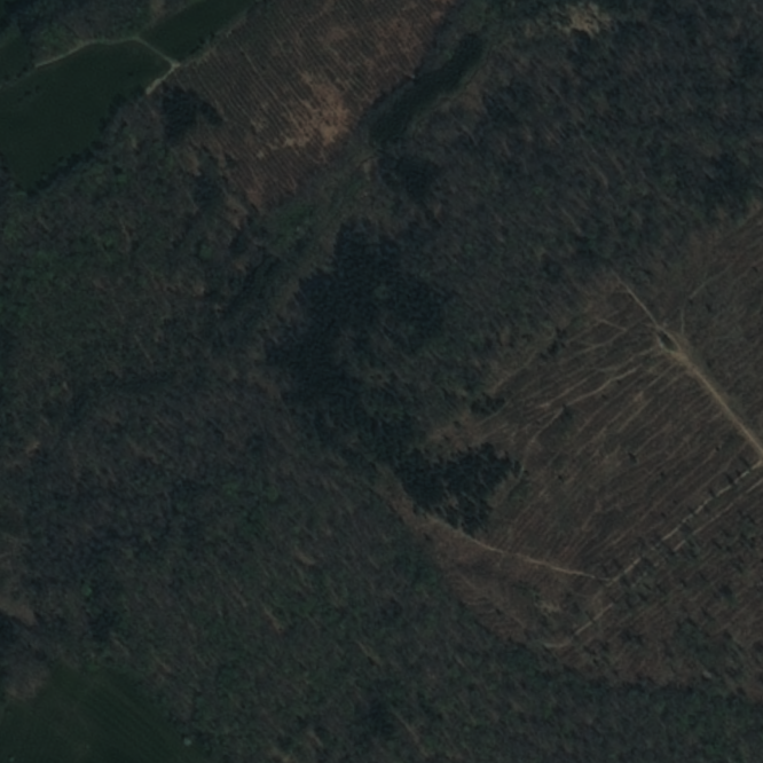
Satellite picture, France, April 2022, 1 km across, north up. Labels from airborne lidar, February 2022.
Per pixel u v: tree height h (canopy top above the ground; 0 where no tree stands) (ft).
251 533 89
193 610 89
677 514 0
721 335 0
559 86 90
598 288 91
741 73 95
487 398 34
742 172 92
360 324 84
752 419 0
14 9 0
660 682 0
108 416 84
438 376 82
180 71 25
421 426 53
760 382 0
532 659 80
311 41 21
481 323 88
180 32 0
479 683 92
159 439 87
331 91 0
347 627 95
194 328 84
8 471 79
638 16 55
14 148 0
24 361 78
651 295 102
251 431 80
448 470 81
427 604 117
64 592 97
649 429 0
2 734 0
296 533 90
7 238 105
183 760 0
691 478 0
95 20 113
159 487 88
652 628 0
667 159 103
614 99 38
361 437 80
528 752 106
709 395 0
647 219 97
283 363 86
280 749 81
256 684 89
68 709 0
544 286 99
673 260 87
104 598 89
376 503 75
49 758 0
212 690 89
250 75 20
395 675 95
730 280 0
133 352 91
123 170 98
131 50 0
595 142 100
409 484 48
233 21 0
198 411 96
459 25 97
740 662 90
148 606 91
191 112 75
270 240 90
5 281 23
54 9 81
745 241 0
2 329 64
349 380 55
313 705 83
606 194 100
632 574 0
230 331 73
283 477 90
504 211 93
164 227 80
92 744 0
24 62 0
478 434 0
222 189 93
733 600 96
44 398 89
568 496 0
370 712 84
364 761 96
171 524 89
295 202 75
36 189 0
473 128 89
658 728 104
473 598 0
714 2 81
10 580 0
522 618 0
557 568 0
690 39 90
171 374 80
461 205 97
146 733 0
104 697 0
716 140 89
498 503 0
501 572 0
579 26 0
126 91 0
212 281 79
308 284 0
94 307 79
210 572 97
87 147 0
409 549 67
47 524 95
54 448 90
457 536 0
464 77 74
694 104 96
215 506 95
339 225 0
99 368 106
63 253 85
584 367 0
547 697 100
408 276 93
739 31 104
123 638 95
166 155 97
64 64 0
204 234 98
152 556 97
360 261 91
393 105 69
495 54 0
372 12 21
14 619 0
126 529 86
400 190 103
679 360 0
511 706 97
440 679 93
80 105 0
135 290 75
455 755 89
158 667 95
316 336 91
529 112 83
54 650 105
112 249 106
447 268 99
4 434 92
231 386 73
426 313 92
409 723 94
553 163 107
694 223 91
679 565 93
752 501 21
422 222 52
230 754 87
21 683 103
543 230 96
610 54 69
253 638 92
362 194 0
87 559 85
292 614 89
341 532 87
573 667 0
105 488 94
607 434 0
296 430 82
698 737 98
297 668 91
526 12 49
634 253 98
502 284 94
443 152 88
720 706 93
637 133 92
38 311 81
